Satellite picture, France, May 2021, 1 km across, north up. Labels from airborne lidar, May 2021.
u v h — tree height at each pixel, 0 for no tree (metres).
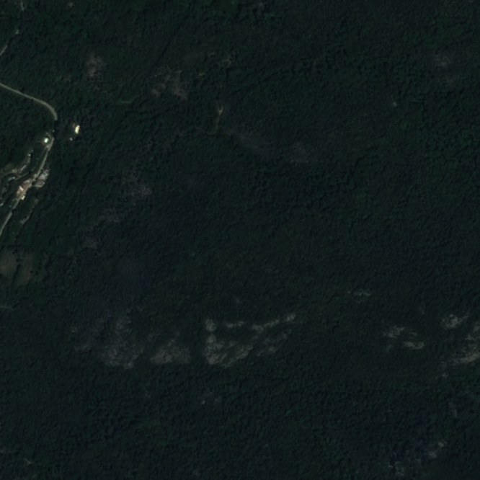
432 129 16
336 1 9
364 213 12
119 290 6
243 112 9
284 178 15
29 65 10
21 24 14
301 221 16
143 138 13
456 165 17
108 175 13
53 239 9
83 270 16
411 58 11
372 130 14
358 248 15
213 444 16
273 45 9
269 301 14
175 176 9
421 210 16
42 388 11
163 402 12
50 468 8
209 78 12
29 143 12
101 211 12
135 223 14
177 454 20
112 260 14
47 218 6
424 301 9
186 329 8
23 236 7
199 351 7
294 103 10
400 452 11
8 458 10
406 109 19
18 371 11
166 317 11
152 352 6
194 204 11
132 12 16
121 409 16
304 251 20
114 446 21
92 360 17
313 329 14
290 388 18
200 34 15
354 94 14
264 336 6
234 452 11
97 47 13
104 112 15
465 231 13
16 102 13
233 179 11
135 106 14
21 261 14
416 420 8
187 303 11
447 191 15
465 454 9
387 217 14
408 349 14
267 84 13
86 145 15
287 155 7
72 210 8
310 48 15
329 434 9
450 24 11
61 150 13
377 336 8
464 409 6
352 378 12
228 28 15
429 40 16
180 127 14
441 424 10
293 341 10
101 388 21
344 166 16
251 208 12
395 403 11
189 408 12
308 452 10
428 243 22
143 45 11
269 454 11
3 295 12
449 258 21
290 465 9
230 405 17
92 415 20
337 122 11
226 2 0
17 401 12
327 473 12
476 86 7
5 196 10
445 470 6
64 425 7
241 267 15
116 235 16
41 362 14
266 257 8
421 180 15
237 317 7
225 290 13
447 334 6
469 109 15
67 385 13
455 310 11
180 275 16
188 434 18
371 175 17
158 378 13
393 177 12
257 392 22
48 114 16
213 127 13
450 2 13
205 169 9
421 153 14
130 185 14
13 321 11
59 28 13
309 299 13
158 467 12
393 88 17
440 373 7
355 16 18
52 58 10
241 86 9
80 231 11
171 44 14
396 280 19
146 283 8
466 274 23
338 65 17
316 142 9
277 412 13
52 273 14
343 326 16
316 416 18
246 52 14
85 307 10
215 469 16
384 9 6
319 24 11
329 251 16
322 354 7
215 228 9
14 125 11
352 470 7
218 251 13
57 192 14
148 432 19
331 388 20
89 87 15
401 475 6
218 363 6
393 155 16
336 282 12
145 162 16
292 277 20
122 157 16
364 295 7
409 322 6
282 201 10
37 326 10
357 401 17
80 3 7
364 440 14
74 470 12
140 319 9
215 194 13
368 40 10
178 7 10
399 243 23
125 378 13
